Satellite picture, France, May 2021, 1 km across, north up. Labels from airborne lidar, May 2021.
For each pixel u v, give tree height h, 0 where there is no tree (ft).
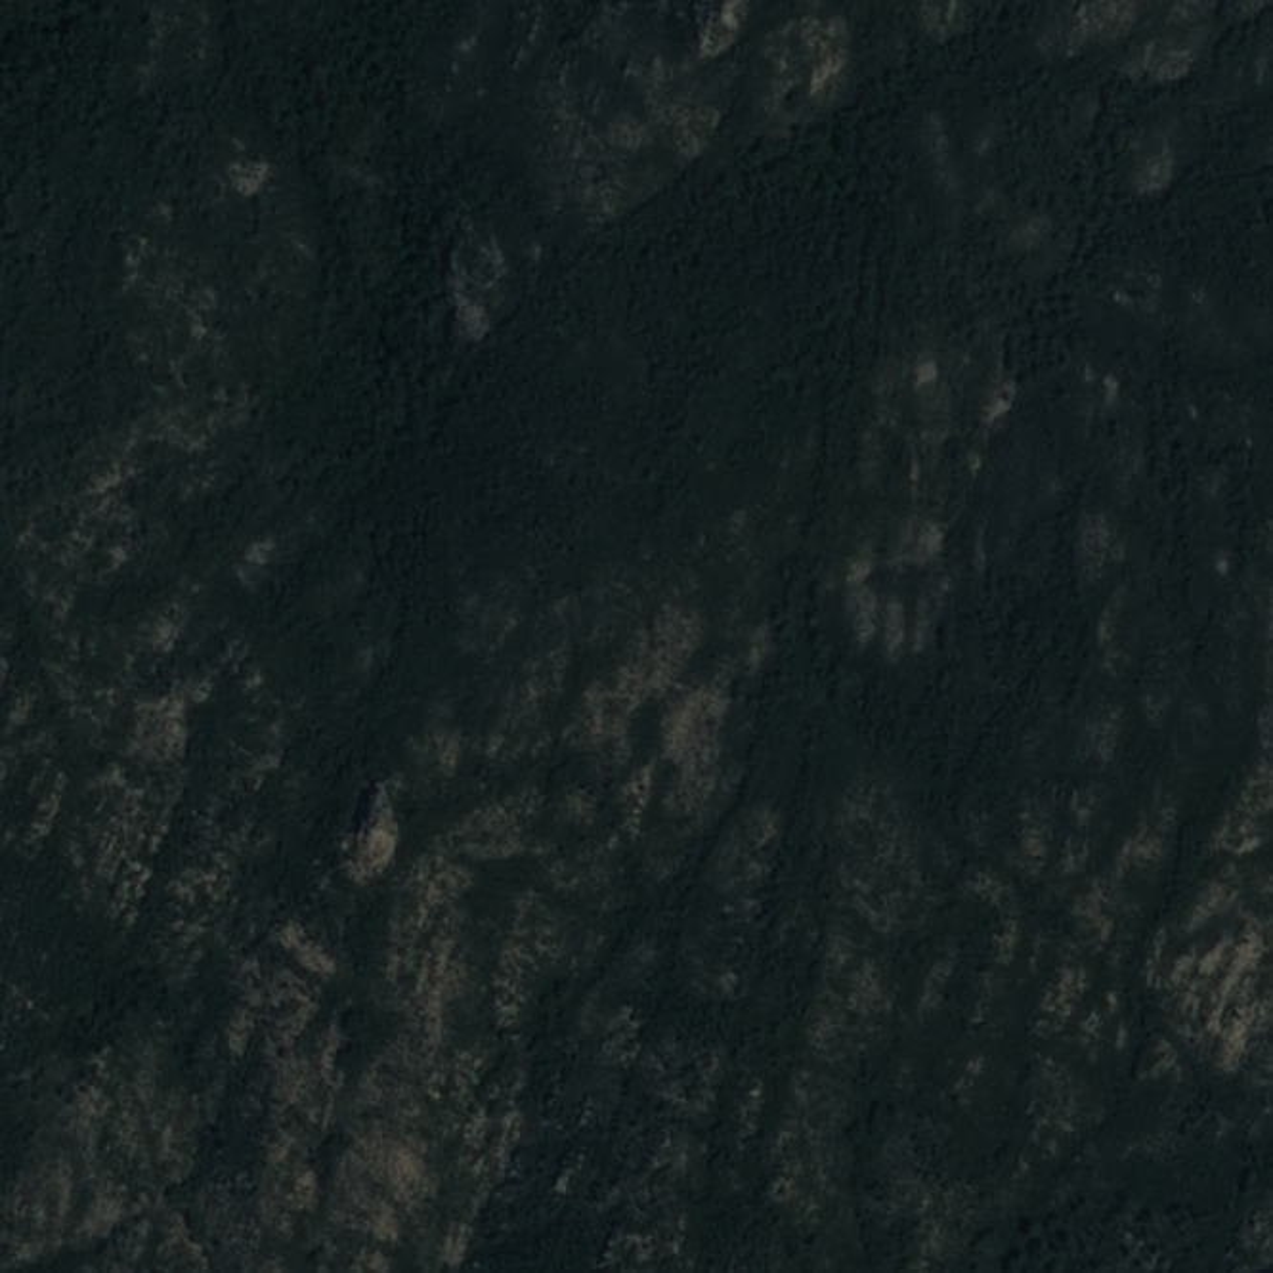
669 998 31
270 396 31
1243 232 37
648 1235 23
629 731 0
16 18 58
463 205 56
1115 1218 41
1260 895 0
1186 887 38
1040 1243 65
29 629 35
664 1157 32
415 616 44
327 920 20
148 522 42
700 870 26
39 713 26
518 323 38
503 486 46
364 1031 43
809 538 34
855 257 49
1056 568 21
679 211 61
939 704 44
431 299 40
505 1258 29
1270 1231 0
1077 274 57
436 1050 0
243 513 34
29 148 23
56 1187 0
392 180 28
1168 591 29
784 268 33
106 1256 43
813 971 31
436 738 0
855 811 0
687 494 27
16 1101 17
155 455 44
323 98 83
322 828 31
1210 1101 22
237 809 28
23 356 30
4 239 51
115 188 49
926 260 37
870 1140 48
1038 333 52
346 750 27
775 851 31
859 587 0
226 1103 24
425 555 28
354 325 31
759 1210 29
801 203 22
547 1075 34
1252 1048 0
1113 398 0
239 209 20
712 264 51
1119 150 44
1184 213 31
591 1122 23
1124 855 0
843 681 43
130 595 29
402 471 56
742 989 34
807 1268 45
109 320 32
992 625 46
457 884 0
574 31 41
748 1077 20
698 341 44
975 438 28
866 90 63
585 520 24
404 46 60
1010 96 38
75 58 38
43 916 29
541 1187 28
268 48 57
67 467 42
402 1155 0
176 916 28
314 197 18
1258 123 31
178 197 26
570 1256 24
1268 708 0
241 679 22
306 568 36
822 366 42
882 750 38
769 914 33
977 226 28
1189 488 27
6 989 33
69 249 37
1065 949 0
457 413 55
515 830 0
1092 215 38
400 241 27
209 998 32
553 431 42
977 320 56
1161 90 33
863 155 53
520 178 22
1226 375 31
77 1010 31
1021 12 40
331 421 31
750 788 33
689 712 0
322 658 24
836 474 31
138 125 32
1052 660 29
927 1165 22
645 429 30
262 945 41
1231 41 57
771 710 33
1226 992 0
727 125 42
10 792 20
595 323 27
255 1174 38
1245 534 27
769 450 26
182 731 0
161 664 25
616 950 30
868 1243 32
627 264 40
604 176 24
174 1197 84
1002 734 45
